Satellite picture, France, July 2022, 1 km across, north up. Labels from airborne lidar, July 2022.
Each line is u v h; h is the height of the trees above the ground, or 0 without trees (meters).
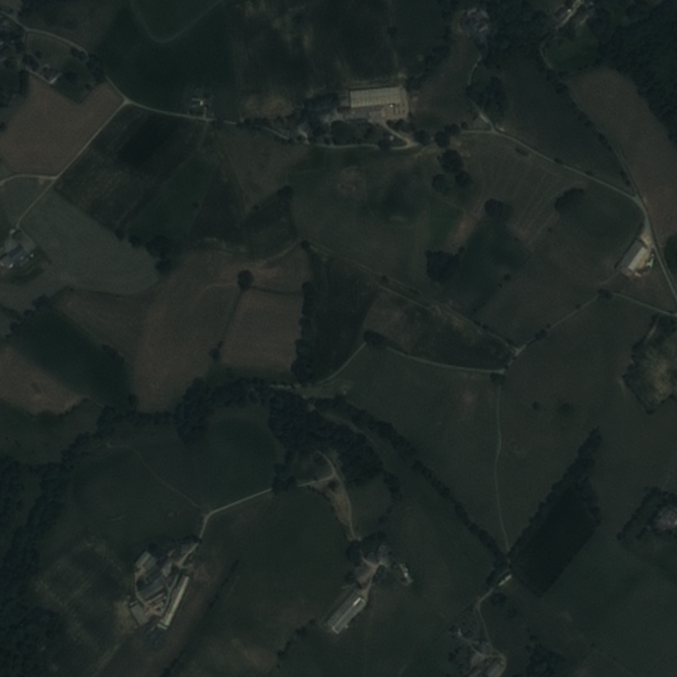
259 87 0
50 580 0
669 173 0
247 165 0
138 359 0
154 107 0
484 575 0
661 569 0
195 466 0
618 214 0
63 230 0
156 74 0
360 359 0
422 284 0
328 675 0
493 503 0
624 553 0
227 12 0
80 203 0
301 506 0
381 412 0
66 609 0
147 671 0
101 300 0
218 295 0
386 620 0
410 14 0
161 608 0
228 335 0
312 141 7
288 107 0
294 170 0
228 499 0
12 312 6
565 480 12
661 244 0
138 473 0
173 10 0
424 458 0
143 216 0
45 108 0
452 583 0
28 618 8
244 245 0
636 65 13
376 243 0
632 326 0
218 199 0
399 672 0
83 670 0
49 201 0
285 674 0
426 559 0
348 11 0
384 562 0
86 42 0
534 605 0
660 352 0
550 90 0
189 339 0
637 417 0
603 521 9
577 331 0
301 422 30
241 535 0
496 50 22
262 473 0
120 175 0
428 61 12
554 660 18
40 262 0
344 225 0
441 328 0
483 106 11
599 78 0
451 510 0
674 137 10
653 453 0
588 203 0
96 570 0
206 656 0
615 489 0
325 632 0
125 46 0
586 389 0
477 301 0
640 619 0
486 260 0
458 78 0
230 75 0
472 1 0
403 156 0
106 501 0
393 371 0
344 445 21
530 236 0
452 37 8
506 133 0
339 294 0
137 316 0
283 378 0
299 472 0
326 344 0
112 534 0
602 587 0
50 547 0
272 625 0
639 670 0
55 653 0
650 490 9
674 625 0
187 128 0
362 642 0
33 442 0
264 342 0
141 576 0
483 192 0
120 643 0
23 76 11
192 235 0
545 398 0
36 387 0
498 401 0
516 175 0
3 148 0
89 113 0
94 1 0
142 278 0
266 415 0
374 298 0
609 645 0
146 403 0
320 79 0
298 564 0
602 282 0
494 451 0
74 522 0
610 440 0
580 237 0
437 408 0
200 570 0
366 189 0
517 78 0
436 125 0
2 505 13
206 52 0
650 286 0
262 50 0
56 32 0
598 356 0
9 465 8
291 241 0
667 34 19
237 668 0
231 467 0
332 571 0
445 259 14
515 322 0
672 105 8
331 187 0
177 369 0
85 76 0
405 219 0
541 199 0
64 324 0
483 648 0
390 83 0
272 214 0
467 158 0
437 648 0
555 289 0
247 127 8
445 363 0
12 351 0
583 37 0
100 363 0
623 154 0
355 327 0
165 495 0
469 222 0
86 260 0
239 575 0
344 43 0
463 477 0
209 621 0
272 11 0
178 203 0
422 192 0
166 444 0
